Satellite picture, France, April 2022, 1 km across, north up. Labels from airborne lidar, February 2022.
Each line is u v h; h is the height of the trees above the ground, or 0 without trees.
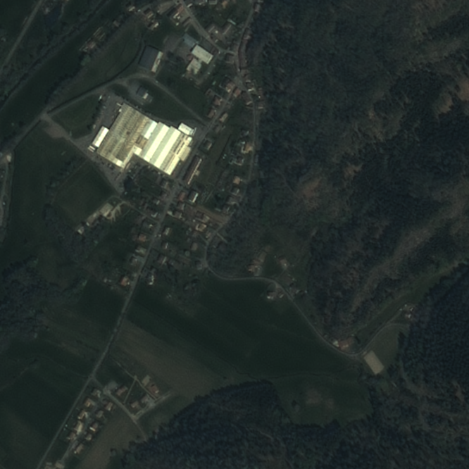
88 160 0
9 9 0
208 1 0
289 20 20
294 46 33
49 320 0
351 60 21
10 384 0
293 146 31
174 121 0
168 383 0
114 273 0
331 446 30
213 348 0
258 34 15
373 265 17
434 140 19
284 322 0
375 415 9
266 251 0
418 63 20
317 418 0
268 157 22
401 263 8
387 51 16
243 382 0
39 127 0
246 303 0
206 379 0
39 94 0
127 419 0
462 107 27
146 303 0
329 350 0
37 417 0
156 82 0
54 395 0
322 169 13
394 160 28
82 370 0
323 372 0
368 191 27
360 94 19
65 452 0
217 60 0
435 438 16
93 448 0
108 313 0
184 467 11
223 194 0
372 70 13
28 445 0
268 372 0
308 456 20
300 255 0
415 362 27
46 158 0
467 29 24
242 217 23
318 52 20
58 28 0
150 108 0
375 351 0
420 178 20
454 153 14
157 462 11
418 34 12
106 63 0
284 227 0
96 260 0
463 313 28
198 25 0
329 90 19
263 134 12
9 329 13
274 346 0
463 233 22
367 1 18
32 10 0
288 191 14
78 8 0
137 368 0
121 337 0
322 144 25
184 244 0
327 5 17
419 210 24
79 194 0
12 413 0
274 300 0
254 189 26
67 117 0
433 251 28
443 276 0
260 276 0
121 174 0
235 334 0
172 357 0
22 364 0
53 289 18
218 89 6
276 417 6
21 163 0
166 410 0
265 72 19
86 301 0
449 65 27
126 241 0
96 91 0
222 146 0
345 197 20
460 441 11
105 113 0
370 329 0
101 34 0
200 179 0
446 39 10
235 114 0
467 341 33
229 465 15
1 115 0
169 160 0
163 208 0
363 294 9
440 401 8
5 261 0
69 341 0
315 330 0
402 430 31
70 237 24
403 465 0
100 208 0
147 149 0
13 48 0
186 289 13
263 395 19
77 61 0
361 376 7
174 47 0
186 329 0
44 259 0
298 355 0
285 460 0
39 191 0
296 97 16
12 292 16
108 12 0
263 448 12
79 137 0
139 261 0
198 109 0
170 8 0
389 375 0
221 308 0
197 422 16
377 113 22
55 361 0
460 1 17
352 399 0
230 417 7
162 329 0
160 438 8
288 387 0
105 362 0
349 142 16
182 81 0
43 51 18
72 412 0
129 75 0
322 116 19
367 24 22
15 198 0
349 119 17
